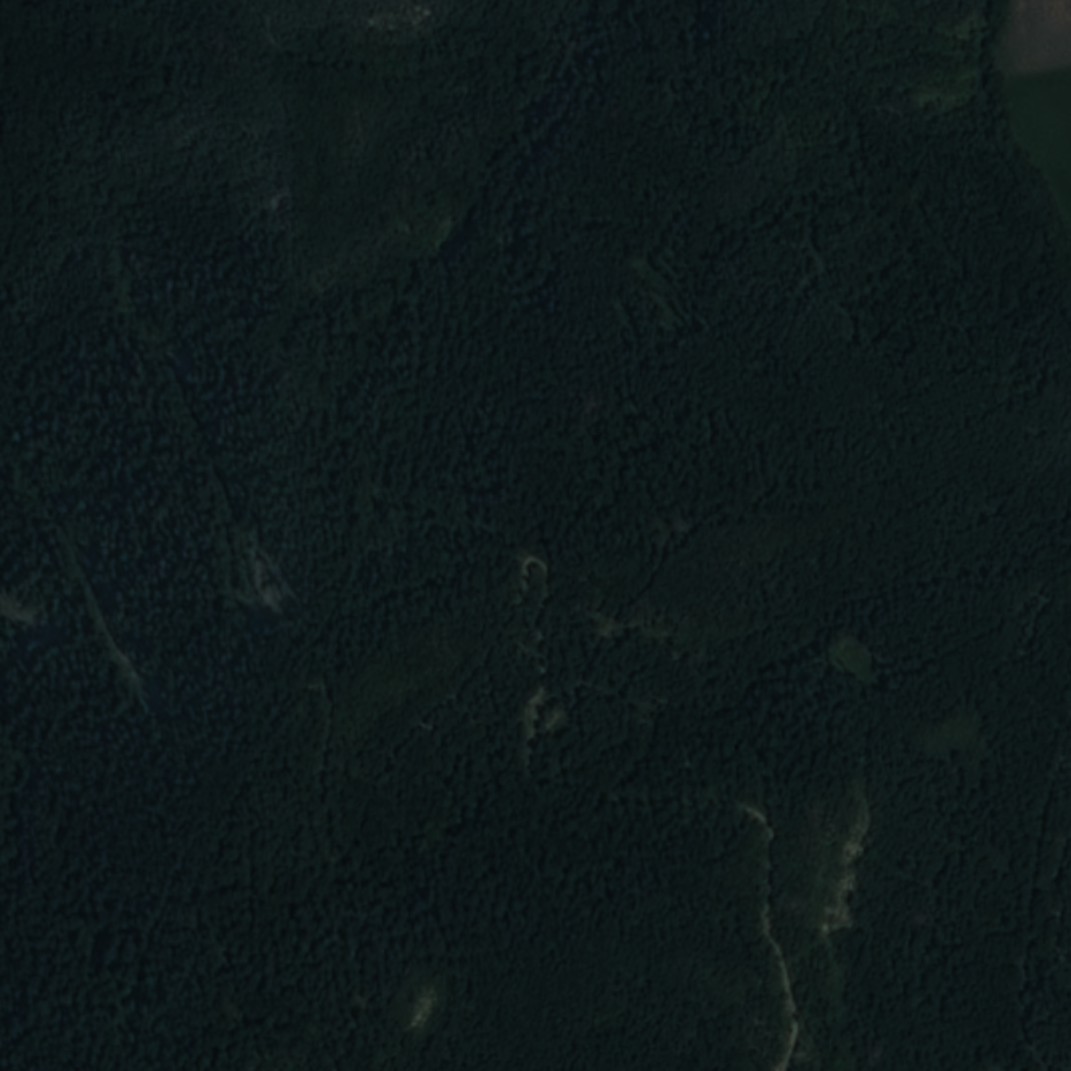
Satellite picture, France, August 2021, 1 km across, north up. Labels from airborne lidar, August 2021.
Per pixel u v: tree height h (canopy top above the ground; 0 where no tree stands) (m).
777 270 20
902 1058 26
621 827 13
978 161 16
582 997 20
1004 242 21
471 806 20
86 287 16
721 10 35
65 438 19
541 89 33
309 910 25
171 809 16
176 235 28
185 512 22
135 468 24
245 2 9
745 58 18
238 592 6
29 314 20
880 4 7
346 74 24
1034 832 19
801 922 13
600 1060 28
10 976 20
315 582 17
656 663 21
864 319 21
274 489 15
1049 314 28
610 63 32
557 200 25
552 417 26
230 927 16
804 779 11
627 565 15
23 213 29
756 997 12
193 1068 17
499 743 32
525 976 21
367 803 18
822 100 10
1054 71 0
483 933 26
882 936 15
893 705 29
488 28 19
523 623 16
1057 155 0
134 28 13
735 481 20
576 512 10
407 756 16
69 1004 18
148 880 20
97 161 6
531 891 26
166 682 13
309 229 16
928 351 23
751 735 14
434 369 22
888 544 19
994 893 22
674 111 12
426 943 23
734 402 26
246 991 27
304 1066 16
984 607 27
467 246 17
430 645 20
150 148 13
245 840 19
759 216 20
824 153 15
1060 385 23
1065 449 13
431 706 17
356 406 25
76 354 17
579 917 14
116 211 16
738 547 18
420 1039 6
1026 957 6
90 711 25
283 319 16
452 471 28
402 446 26
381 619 16
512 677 23
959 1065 30
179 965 15
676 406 26
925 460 26
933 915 20
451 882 31
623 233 25
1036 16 0
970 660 22
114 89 24
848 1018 11
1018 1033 17
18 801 23
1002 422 25
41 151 16
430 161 10
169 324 22
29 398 41
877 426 23
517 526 25
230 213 17
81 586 13
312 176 22
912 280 15
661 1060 22
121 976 32
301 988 18
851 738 27
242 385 28
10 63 26
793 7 25
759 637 26
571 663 24
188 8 18
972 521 32
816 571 20
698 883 19
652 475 20
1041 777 21
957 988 21
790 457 24
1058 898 9
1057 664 30
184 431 17
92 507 10
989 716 21
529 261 29
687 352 28
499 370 30
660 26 31
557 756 25
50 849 27
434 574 13
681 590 19
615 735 32
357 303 25
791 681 24
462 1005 16
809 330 25
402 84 17
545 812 18
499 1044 22
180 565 18
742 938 18
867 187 18
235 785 19
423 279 29
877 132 20
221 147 13
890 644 26
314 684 13
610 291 22
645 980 18
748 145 17
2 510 21
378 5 8
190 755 12
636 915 18
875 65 8
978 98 13
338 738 12
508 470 28
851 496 23
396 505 9
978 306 25
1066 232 19
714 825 19
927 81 7
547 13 16
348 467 22
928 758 21
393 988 17
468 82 18
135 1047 12
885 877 24
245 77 12
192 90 14
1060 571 21
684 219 23
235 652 18
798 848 17
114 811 22
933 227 15
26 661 18
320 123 15
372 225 14
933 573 30
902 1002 25
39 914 20
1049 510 28
